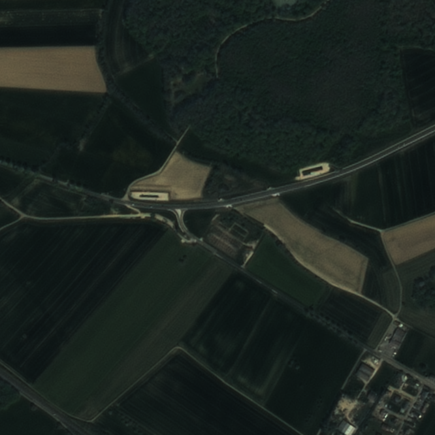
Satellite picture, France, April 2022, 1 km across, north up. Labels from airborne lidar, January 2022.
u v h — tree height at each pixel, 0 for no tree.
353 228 0
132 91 0
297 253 0
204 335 0
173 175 0
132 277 0
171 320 0
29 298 0
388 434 0
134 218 0
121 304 0
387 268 0
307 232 0
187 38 28
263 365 0
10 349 0
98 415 0
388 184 0
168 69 27
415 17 9
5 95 0
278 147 27
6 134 0
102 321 0
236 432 0
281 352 0
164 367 0
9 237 0
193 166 0
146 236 0
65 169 0
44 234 0
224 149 21
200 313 0
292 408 0
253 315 0
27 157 0
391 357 0
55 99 0
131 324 0
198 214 0
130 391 0
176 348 0
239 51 13
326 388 0
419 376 0
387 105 30
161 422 0
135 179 0
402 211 0
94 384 0
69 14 0
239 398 0
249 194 0
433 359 0
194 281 0
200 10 32
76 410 0
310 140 29
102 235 0
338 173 0
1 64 0
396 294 0
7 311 0
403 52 0
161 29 25
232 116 27
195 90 0
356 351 0
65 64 0
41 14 0
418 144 0
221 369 0
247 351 0
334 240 0
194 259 0
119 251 0
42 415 0
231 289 0
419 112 0
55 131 0
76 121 0
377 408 0
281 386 0
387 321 0
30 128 0
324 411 0
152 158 0
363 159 0
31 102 0
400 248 0
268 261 0
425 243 0
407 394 0
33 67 0
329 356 0
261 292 0
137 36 21
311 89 15
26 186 0
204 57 23
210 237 0
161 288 0
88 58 0
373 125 27
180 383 0
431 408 0
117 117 0
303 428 0
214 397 0
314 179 0
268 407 0
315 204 0
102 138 0
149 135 0
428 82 0
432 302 7
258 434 0
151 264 0
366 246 0
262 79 15
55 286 0
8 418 0
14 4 0
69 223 0
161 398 0
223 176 0
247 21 10
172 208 0
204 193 0
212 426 0
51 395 0
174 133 0
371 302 0
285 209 0
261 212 0
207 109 29
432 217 0
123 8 0
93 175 0
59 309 0
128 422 6
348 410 0
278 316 0
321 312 0
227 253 0
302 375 0
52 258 0
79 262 0
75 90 0
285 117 19
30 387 0
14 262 0
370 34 14
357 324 0
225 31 27
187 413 0
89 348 0
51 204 0
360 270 0
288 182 0
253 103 26
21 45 0
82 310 0
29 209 0
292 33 10
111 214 0
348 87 17
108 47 0
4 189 0
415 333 0
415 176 0
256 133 27
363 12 13
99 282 0
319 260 0
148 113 0
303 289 0
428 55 0
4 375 0
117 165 0
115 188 0
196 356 0
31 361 0
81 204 0
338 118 14
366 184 0
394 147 0
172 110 23
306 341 0
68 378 0
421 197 0
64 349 0
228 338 0
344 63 17
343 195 0
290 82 13
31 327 0
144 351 0
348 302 0
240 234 0
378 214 0
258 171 0
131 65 0
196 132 17
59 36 0
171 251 0
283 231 0
